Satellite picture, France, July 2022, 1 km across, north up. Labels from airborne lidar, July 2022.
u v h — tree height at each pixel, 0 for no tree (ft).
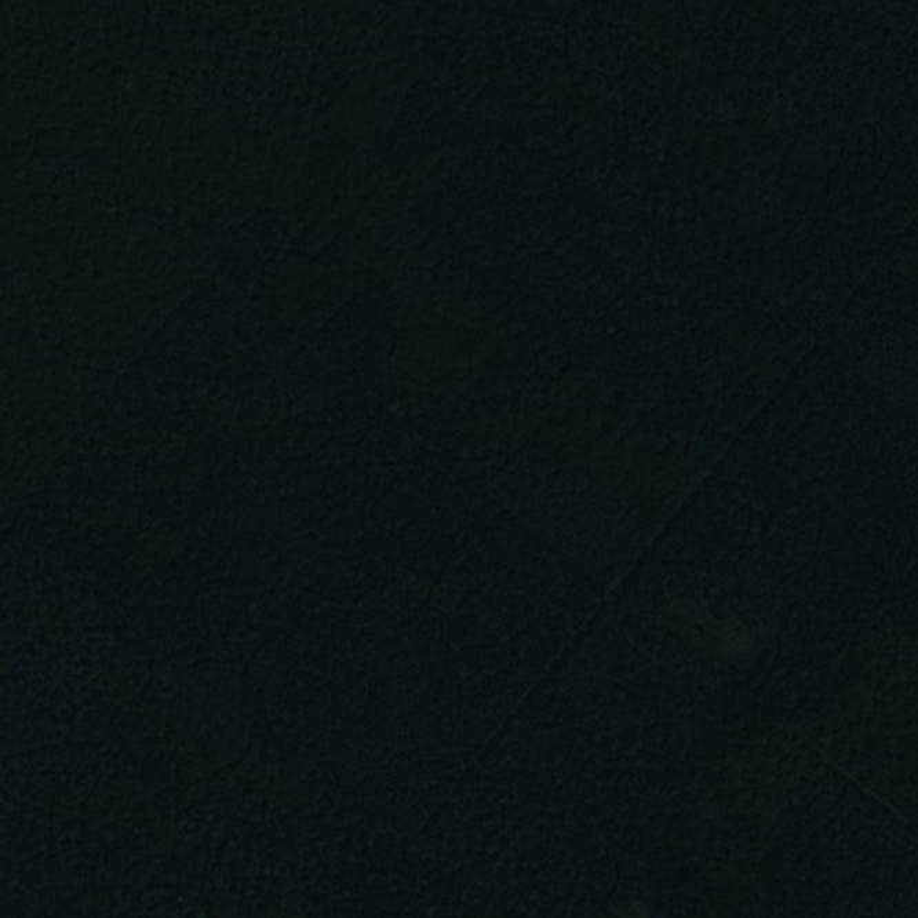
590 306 44
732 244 52
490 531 56
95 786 56
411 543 70
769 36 55
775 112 70
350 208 72
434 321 62
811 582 64
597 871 56
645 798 60
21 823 55
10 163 58
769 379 46
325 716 50
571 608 47
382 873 46
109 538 58
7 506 64
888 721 78
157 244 69
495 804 49
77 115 67
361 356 57
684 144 42
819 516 54
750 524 57
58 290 59
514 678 58
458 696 56
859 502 66
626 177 52
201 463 38
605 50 52
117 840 57
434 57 60
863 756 87
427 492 54
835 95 72
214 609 54
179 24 72
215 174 56
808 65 51
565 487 83
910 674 53
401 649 52
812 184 62
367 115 50
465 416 75
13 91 54
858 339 40
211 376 64
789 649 64
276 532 53
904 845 47
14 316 57
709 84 64
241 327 76
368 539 64
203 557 52
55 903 44
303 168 73
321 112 57
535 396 63
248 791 56
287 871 67
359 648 57
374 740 52
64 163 63
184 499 49
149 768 68
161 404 54
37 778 58
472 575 62
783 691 81
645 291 44
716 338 62
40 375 62
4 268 72
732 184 50
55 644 62
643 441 59
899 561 70
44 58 66
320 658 66
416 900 45
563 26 37
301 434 43
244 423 58
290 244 47
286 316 60
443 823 43
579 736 59
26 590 67
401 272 67
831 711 74
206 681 73
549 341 57
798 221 82
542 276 55
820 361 40
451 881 39
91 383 64
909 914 57
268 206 69
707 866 46
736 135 62
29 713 68
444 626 58
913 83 68
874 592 53
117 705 57
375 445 62
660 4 44
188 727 56
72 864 55
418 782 59
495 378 72
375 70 62
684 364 54
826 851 60
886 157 52
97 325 63
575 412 72
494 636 50
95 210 56
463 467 54
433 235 81
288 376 68
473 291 70
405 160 65
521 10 39
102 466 50
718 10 53
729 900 52
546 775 39
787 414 50
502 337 66
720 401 48
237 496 57
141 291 66
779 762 65
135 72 62
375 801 68
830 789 52
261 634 45
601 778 56
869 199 56
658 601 72
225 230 81
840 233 43
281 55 37
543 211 58
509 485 62
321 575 55
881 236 56
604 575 62
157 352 56
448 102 60
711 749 52
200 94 51
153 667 91
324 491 49
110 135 61
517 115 54
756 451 51
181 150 52
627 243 68
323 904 39
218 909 56
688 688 74
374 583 53
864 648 55
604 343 59
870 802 52
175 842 63
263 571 55
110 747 62
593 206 51
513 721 41
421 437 45
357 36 51
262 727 73
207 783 56
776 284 35
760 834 71
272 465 49
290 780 55
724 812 54
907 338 65
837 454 58
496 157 43
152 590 57
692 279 62
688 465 61
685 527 59
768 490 60
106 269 67
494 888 61
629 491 54
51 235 64
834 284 56
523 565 50
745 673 23
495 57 39
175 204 47
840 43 65
